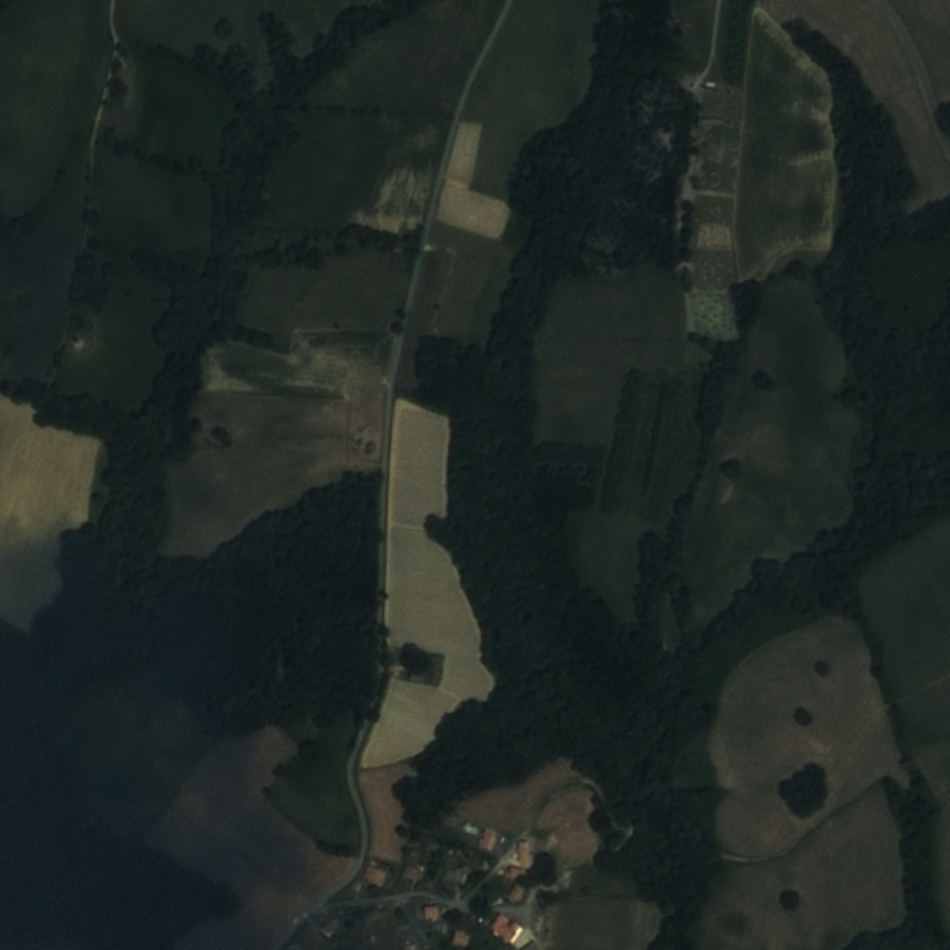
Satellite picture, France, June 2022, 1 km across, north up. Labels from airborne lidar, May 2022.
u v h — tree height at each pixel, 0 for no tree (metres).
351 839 0
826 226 0
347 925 9
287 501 0
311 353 0
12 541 0
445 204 0
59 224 0
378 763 0
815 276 8
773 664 0
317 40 8
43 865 18
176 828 0
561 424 0
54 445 0
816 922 0
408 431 0
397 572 0
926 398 15
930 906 10
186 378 24
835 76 20
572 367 0
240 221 13
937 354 15
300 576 23
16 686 21
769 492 0
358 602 11
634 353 0
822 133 0
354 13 17
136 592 18
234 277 17
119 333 0
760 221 0
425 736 0
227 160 10
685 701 22
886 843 0
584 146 29
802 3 0
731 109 0
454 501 12
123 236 0
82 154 0
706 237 0
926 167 0
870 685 0
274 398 0
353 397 0
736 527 0
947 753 0
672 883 23
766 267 0
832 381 0
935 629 0
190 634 21
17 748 14
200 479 0
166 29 0
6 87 0
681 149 16
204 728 11
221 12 0
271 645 16
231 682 21
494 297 0
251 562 24
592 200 25
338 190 0
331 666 18
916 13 0
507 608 25
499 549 25
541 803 0
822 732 0
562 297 0
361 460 0
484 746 26
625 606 0
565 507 16
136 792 0
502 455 22
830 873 0
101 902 23
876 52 0
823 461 0
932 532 0
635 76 7
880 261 0
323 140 0
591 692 25
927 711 0
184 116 0
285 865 0
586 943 0
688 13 0
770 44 0
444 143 0
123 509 9
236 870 0
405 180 0
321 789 0
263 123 14
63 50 0
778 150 0
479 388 23
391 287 0
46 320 0
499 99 0
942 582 0
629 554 0
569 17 0
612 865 23
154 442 25
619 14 22
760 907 0
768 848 0
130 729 0
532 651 29
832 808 0
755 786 0
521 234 0
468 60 0
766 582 26
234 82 18
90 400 15
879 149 23
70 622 11
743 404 0
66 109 0
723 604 0
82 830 12
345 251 16
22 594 0
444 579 0
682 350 0
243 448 0
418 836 7
